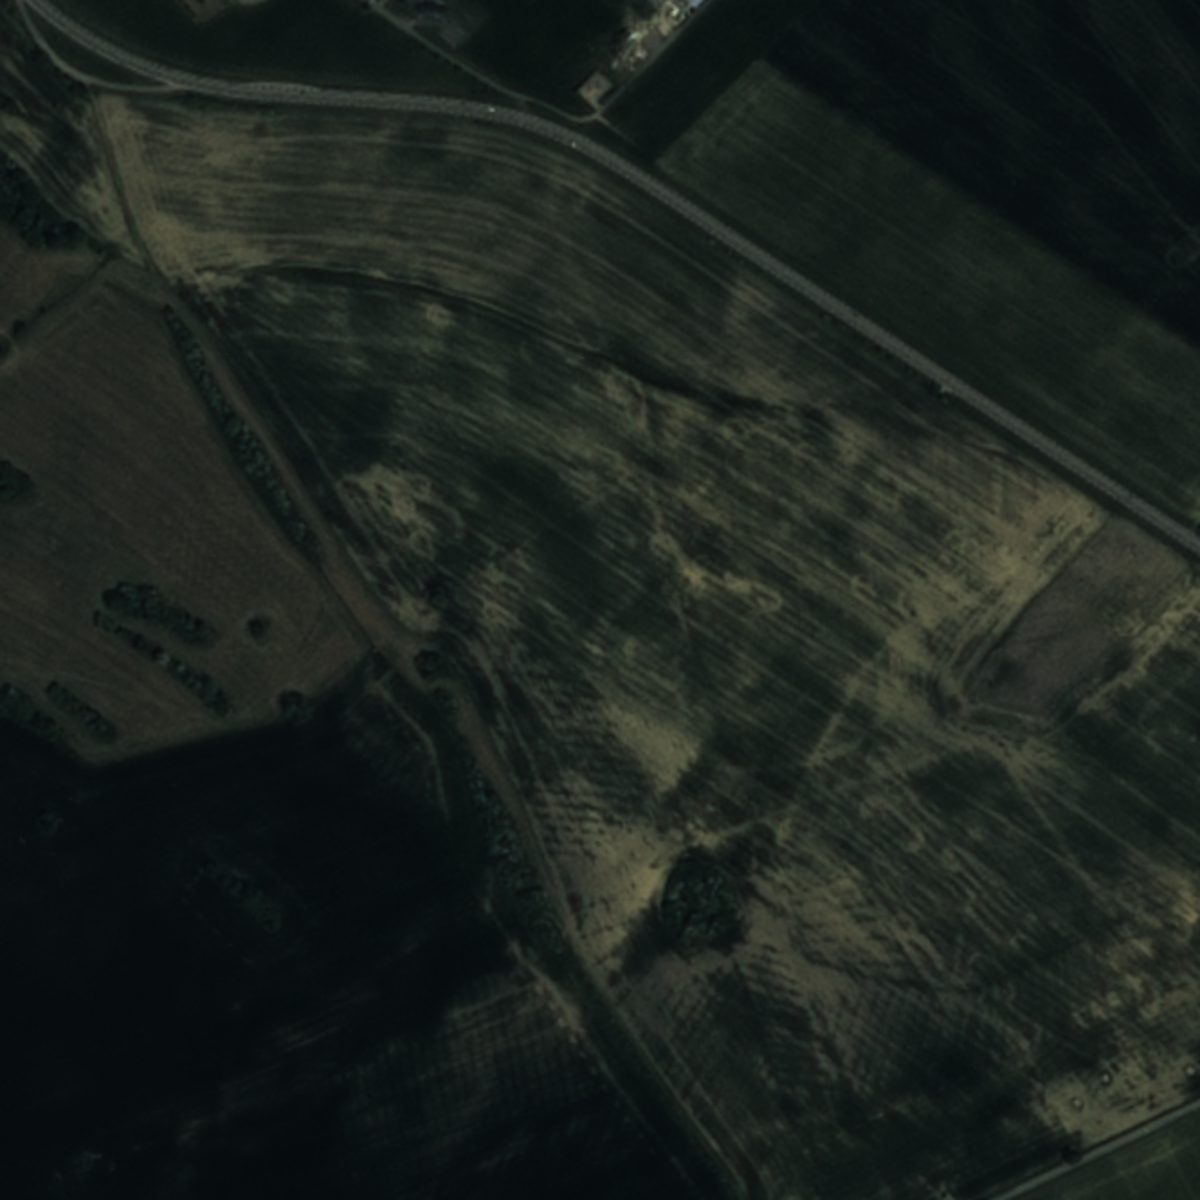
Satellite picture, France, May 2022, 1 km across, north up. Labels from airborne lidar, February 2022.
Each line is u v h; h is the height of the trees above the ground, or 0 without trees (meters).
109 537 0
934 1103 0
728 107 0
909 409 0
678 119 0
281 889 0
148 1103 0
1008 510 0
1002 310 0
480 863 0
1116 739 0
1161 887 0
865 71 0
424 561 0
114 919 0
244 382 0
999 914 0
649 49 0
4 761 0
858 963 0
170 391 0
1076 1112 0
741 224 0
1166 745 0
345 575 0
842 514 0
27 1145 0
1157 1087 0
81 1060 0
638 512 0
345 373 0
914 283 0
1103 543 0
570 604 0
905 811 0
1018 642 0
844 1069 0
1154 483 0
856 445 0
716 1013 0
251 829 0
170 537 0
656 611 0
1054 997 0
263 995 0
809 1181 0
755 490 0
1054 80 0
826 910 0
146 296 0
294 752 0
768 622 0
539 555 0
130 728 0
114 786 0
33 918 0
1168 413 0
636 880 0
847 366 0
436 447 0
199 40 0
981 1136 0
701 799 0
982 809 0
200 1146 0
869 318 0
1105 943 0
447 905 0
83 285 0
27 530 0
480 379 0
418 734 0
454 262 0
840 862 0
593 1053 0
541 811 0
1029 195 0
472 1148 0
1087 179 0
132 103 0
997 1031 0
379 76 0
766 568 0
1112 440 0
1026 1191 0
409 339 0
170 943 0
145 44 0
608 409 0
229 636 0
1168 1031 0
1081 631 0
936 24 0
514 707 0
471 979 0
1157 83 0
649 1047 0
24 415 0
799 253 0
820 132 0
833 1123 0
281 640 0
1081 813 0
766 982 0
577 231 0
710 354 0
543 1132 0
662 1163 0
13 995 0
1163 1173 0
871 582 0
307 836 0
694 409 0
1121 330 0
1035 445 0
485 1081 0
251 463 8
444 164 0
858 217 0
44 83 0
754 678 0
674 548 0
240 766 0
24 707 9
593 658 0
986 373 0
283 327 0
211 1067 0
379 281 0
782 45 0
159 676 0
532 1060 0
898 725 0
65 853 0
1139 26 0
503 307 0
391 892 0
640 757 0
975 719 0
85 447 0
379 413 0
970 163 0
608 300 0
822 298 0
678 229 0
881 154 0
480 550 0
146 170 0
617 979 0
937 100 0
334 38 0
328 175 0
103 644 0
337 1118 0
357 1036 0
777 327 0
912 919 0
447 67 6
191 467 0
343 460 0
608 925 0
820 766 0
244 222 0
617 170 0
